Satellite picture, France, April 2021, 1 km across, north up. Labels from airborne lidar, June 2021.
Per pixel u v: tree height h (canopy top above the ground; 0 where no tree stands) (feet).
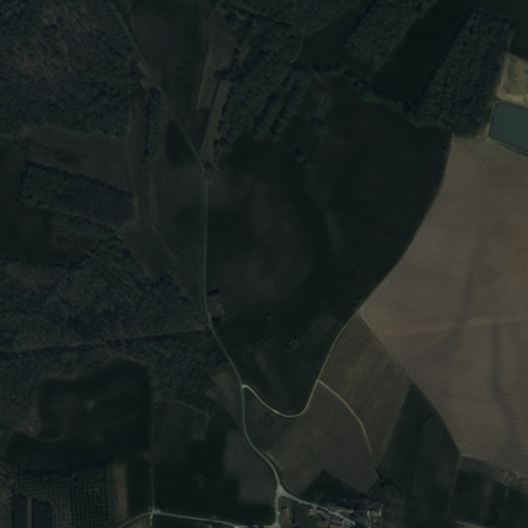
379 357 0
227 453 0
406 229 0
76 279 58
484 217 0
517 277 0
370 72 0
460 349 0
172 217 0
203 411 0
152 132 53
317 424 0
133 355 43
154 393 43
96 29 36
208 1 0
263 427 0
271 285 0
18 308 34
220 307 0
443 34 0
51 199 70
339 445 0
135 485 0
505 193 0
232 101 46
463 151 0
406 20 69
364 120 0
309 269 0
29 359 63
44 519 54
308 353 0
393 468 0
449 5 0
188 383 23
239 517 0
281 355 0
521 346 0
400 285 0
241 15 26
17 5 60
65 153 0
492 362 0
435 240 0
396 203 0
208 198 0
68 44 64
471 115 76
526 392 0
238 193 0
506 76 0
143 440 0
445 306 0
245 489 0
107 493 48
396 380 0
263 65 64
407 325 0
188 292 0
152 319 61
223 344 0
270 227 0
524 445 0
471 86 52
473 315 0
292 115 53
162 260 0
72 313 42
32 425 28
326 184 0
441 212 0
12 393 59
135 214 51
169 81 0
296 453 0
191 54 0
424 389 0
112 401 0
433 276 0
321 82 0
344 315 0
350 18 0
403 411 0
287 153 0
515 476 0
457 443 0
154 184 0
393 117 0
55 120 75
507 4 0
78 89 69
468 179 0
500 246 0
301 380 0
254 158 0
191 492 0
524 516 0
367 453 0
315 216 0
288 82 48
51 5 62
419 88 0
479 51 54
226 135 32
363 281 0
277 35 94
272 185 0
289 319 0
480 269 0
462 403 0
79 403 0
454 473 0
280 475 0
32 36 85
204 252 0
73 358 54
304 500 0
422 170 0
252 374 0
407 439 0
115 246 59
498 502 0
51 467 0
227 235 0
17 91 79
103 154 0
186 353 46
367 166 0
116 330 63
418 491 0
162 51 0
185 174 0
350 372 0
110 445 0
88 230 67
